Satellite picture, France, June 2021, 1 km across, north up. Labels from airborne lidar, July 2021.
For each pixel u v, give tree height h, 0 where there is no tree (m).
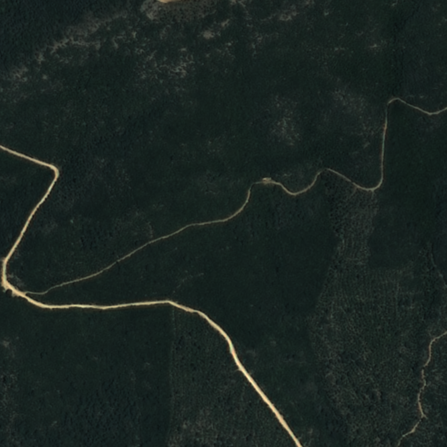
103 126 6
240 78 7
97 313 7
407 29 6
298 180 6
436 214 7
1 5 12
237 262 6
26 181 7
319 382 6
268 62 6
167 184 6
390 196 6
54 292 6
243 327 6
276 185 8
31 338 6
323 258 6
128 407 13
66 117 7
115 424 12
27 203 6
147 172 5
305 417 6
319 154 10
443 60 7
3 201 10
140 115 7
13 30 8
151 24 6
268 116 6
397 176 6
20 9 11
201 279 6
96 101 6
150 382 6
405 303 7
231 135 7
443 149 11
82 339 6
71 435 15
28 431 9
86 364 6
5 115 6
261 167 6
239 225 8
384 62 9
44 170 8
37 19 8
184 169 6
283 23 6
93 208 7
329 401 7
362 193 6
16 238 7
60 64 6
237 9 6
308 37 8
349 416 12
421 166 10
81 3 9
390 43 9
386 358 7
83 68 6
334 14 6
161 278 6
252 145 6
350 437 6
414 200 8
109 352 7
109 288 7
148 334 6
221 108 8
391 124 7
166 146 6
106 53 6
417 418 8
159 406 6
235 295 6
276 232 6
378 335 8
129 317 7
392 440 12
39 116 7
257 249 6
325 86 6
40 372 7
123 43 6
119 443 7
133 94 5
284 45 6
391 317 6
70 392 6
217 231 6
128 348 6
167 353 7
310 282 5
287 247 6
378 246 6
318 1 7
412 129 10
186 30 7
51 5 7
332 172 8
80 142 8
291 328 7
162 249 7
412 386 7
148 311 6
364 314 6
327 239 7
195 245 6
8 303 6
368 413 7
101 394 15
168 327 10
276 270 7
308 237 8
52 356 6
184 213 6
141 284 6
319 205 9
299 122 11
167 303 6
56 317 6
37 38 6
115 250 6
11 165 9
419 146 7
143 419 6
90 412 14
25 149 8
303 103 8
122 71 9
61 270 6
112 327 6
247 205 6
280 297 6
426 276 10
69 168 8
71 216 10
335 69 7
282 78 6
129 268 7
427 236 10
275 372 6
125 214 7
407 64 8
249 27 6
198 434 9
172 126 5
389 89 9
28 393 9
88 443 15
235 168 6
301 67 8
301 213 12
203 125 6
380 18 6
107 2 7
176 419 7
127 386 7
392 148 7
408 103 7
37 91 6
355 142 6
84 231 12
